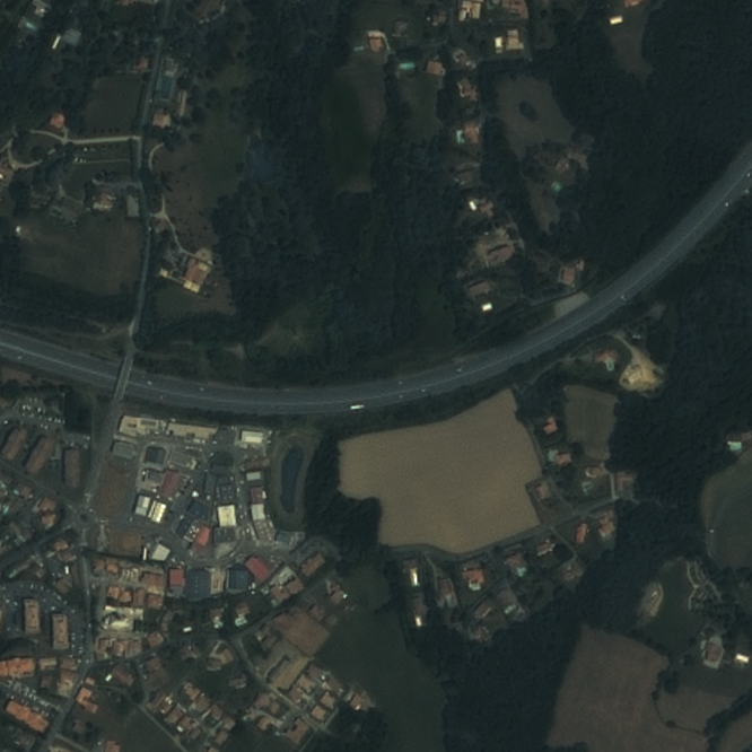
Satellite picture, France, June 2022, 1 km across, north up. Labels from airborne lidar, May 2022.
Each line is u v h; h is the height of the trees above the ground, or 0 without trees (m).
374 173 15
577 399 0
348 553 26
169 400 0
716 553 0
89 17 31
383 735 7
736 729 0
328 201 20
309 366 28
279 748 0
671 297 12
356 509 14
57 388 14
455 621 9
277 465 0
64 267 0
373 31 0
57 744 0
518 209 21
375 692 0
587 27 19
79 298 10
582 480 0
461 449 0
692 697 0
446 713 15
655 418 29
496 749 24
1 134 7
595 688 0
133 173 6
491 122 13
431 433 0
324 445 10
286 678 0
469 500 0
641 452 28
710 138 20
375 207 25
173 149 28
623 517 13
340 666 0
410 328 18
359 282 19
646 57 18
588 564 9
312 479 9
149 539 0
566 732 0
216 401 0
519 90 0
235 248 31
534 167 15
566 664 13
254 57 14
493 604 0
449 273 22
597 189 23
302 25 16
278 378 16
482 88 20
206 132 0
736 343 9
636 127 26
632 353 0
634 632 10
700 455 22
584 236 24
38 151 12
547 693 21
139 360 6
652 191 23
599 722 0
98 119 0
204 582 0
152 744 0
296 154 16
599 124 15
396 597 17
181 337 18
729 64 21
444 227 26
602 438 0
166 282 14
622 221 18
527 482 0
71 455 0
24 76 14
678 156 22
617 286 0
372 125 0
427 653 21
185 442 0
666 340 27
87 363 0
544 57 14
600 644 0
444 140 16
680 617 0
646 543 32
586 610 20
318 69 24
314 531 9
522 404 24
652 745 0
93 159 0
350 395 0
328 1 16
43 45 16
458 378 0
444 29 10
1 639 15
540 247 12
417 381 0
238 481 0
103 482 0
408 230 25
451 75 16
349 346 19
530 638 26
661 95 25
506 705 24
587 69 24
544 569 8
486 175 18
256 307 21
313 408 0
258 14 26
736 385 22
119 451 0
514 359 0
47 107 18
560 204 21
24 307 8
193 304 0
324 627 0
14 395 22
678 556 18
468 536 0
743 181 0
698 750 0
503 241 0
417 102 0
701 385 21
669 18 24
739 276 19
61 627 0
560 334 0
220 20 30
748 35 20
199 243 0
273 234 20
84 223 0
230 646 7
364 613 0
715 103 23
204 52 24
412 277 9
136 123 7
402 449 0
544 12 13
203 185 0
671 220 12
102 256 0
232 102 0
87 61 7
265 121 8
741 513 0
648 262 0
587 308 0
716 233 9
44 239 0
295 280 28
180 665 0
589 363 0
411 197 29
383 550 25
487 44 12
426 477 0
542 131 0
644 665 0
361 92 0
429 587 12
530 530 0
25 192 29
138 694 7
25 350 0
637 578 28
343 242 18
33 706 0
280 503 0
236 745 0
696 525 21
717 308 6
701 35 29
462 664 25
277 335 0
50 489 0
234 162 0
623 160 22
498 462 0
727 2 22
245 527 0
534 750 24
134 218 5
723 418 16
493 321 17
